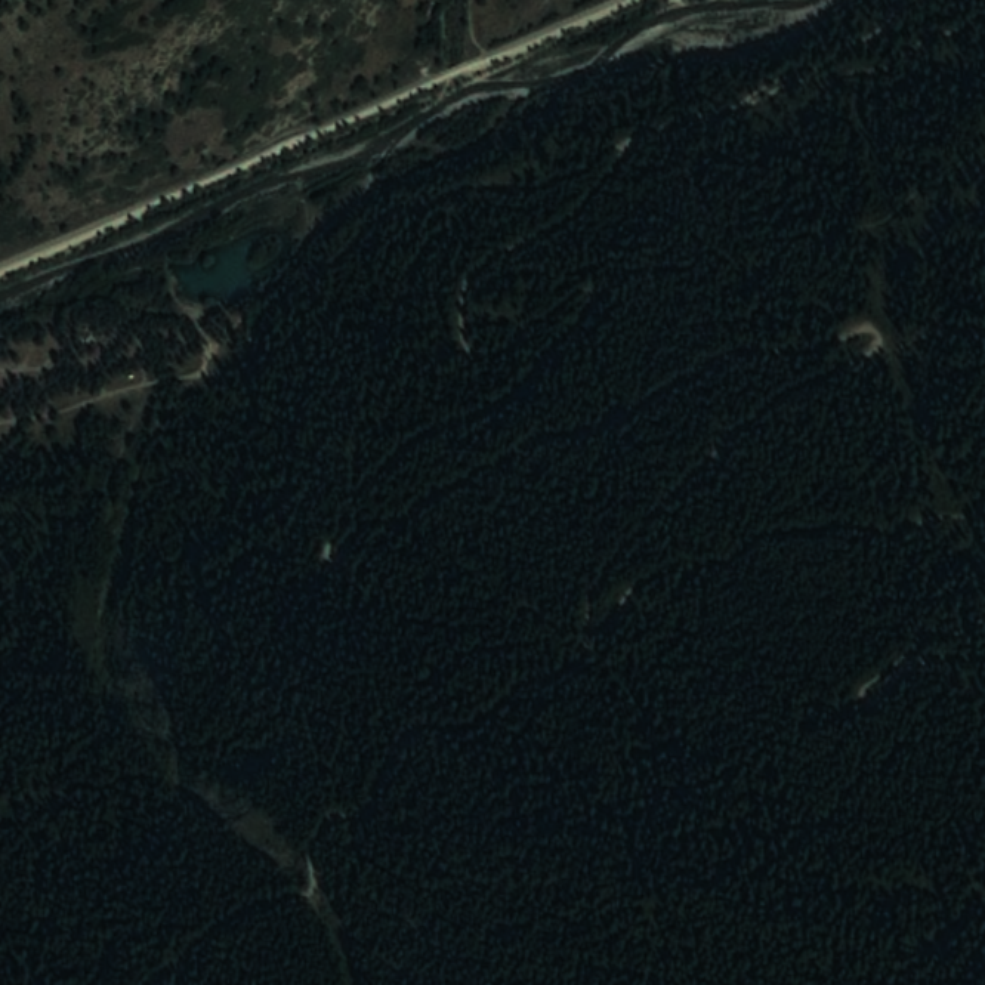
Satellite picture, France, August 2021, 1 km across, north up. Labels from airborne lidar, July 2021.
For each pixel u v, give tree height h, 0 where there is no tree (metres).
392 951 20
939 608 19
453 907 22
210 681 16
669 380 20
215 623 10
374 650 20
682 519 19
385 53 0
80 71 0
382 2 0
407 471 22
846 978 15
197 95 13
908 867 21
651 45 0
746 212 14
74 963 20
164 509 19
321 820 10
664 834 23
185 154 0
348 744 19
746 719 14
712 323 13
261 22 0
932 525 20
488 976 18
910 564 17
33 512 28
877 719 23
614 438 19
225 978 21
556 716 18
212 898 19
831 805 24
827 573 23
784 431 25
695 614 20
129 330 17
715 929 9
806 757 22
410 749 14
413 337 14
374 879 20
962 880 10
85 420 14
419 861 18
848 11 12
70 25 0
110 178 0
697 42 0
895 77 9
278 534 22
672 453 19
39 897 20
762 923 16
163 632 12
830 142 21
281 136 0
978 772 15
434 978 12
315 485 16
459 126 9
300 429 15
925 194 13
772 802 15
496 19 0
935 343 12
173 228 0
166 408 14
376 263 28
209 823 15
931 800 19
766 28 0
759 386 20
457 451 15
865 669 19
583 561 17
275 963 19
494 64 8
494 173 29
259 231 0
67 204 0
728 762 16
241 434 13
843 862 20
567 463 20
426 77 0
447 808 11
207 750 13
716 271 12
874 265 13
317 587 17
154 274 12
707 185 23
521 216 19
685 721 17
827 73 8
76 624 23
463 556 21
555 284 12
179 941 18
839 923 17
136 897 16
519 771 22
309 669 17
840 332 25
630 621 21
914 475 22
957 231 31
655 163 11
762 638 14
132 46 0
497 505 20
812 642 21
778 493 22
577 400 22
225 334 14
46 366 0
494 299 26
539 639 21
